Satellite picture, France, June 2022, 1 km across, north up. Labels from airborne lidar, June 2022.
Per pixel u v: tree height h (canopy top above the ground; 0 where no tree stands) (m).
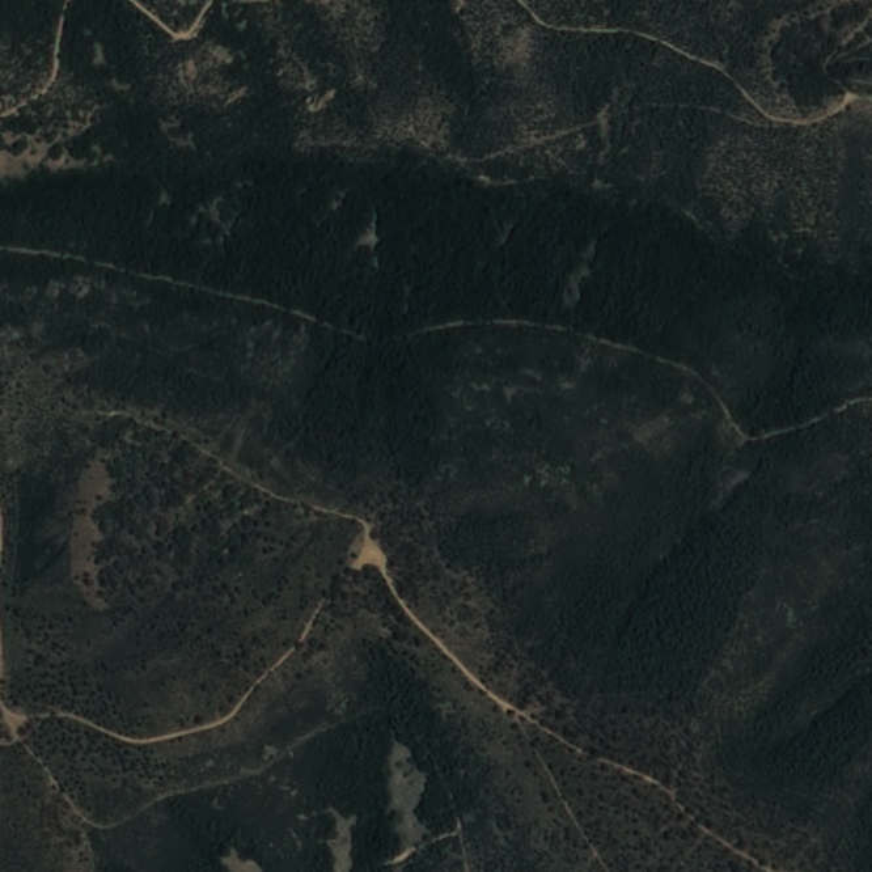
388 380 14
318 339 7
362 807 9
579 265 10
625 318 8
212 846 9
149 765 9
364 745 17
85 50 12
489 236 11
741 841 10
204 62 7
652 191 7
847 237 6
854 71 11
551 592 6
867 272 7
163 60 9
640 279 9
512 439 8
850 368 7
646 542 8
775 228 7
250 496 9
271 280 6
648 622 13
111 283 9
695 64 8
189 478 13
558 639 12
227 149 9
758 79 6
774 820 8
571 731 11
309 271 6
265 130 6
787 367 7
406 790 0
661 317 6
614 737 7
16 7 9
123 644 0
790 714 12
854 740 10
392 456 8
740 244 7
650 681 10
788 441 5
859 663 15
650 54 10
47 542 6
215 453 9
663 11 12
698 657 7
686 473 8
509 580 6
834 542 6
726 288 10
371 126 11
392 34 14
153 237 6
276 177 11
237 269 10
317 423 13
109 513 6
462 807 9
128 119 9
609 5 11
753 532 9
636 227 11
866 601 9
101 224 7
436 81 13
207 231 8
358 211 10
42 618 6
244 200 7
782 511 9
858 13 14
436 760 10
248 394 9
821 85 9
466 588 10
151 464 7
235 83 7
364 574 10
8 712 0
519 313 9
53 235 6
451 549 12
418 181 7
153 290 6
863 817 11
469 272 9
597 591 11
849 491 9
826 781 6
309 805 7
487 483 6
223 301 8
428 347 6
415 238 8
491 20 8
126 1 8
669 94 10
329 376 18
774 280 7
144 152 5
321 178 15
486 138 9
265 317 7
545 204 12
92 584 11
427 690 6
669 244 10
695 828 9
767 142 8
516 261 11
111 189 8
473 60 9
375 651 13
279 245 8
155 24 8
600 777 9
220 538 11
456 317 7
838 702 7
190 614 7
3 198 10
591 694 10
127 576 7
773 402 8
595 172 6
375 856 11
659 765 7
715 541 14
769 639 6
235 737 0
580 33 9
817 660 13
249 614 11
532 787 0
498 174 8
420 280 13
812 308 8
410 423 14
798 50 8
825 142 7
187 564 11
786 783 7
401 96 8
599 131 9
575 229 9
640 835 12
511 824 7
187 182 9
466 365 10
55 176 9
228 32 9
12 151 10
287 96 6
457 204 11
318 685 0
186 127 14
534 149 9
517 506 0
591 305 12
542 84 6
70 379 7
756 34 12
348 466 11
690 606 12
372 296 6
